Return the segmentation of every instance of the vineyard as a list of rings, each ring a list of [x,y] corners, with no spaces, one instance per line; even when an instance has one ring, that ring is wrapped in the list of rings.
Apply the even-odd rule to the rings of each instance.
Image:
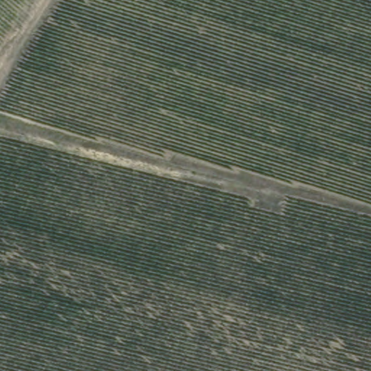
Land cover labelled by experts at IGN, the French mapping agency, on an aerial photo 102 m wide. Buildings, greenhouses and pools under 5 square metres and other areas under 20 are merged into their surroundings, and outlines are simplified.
[[[371,0],[0,0],[0,371],[371,371]]]

